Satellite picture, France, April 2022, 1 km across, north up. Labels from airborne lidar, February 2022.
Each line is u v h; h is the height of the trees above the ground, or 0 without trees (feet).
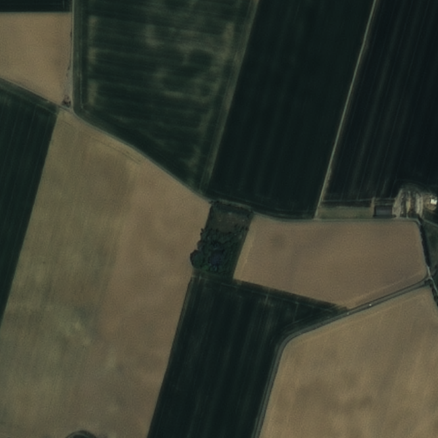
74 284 0
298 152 0
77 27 0
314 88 0
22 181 0
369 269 0
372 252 0
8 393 0
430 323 0
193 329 0
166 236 0
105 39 0
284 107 0
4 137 0
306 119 0
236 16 0
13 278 0
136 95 0
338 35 0
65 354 0
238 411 0
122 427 0
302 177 0
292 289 0
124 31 0
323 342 0
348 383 0
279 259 0
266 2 0
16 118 0
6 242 0
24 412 0
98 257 0
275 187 0
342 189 0
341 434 0
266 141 0
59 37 0
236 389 0
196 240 0
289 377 0
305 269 0
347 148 0
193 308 0
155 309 0
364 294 0
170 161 0
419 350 0
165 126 0
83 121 0
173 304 0
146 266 0
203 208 0
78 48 0
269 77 0
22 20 0
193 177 0
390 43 0
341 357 0
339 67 0
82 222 0
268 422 0
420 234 0
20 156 0
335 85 0
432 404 0
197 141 0
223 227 0
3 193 0
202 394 0
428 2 0
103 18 0
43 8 0
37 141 0
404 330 0
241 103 0
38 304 0
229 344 0
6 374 0
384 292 0
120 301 0
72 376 0
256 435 0
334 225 0
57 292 0
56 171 0
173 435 0
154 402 0
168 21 0
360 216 0
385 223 0
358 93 0
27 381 0
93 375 0
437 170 0
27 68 0
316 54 0
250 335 0
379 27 0
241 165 0
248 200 0
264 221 0
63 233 0
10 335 0
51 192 0
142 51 0
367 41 0
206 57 0
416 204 0
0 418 0
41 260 0
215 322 0
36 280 0
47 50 0
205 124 0
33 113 0
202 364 0
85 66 0
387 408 0
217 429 0
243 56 0
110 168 0
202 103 0
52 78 0
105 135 0
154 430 0
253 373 0
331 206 0
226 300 0
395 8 0
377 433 0
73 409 0
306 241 0
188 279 0
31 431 0
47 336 0
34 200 0
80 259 0
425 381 0
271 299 0
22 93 0
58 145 0
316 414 0
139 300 0
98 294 0
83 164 0
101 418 0
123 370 0
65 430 0
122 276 0
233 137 0
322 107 0
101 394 0
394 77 0
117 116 0
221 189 0
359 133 0
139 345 0
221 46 0
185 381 0
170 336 0
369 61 0
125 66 0
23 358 0
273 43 0
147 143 0
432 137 0
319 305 0
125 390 0
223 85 0
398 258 0
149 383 0
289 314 0
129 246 0
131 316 0
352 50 0
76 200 0
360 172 0
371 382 0
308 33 0
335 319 0
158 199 0
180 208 0
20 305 0
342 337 0
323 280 0
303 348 0
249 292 0
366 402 0
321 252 0
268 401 0
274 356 0
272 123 0
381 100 0
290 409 0
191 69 0
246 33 0
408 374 0
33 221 0
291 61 0
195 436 0
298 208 0
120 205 0
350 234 0
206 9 0
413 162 0
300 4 0
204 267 55
